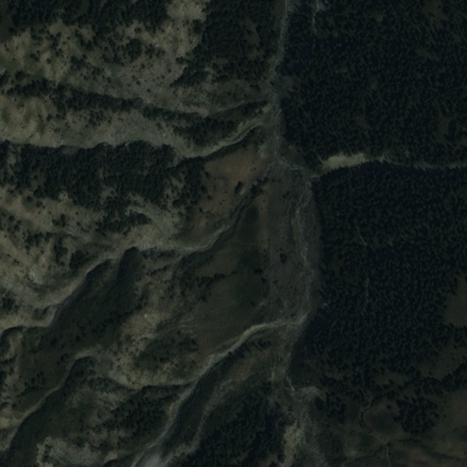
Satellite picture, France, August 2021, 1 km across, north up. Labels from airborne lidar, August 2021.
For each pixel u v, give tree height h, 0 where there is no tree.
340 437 0
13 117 0
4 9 0
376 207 14
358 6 18
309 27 13
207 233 0
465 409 0
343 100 17
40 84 14
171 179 11
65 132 0
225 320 0
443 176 18
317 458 0
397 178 21
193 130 14
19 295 0
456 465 0
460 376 18
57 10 13
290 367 0
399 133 12
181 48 0
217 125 23
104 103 19
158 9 18
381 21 0
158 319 0
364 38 18
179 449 0
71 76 0
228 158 0
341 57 23
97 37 20
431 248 28
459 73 20
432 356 13
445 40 20
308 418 0
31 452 0
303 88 0
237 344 0
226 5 25
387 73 24
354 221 13
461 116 17
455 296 13
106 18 16
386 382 0
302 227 0
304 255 0
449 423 0
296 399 0
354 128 22
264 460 15
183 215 17
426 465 0
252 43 0
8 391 0
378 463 0
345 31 27
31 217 0
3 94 9
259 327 0
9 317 0
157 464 0
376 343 11
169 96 0
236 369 0
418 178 14
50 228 0
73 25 17
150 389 14
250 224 0
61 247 6
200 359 0
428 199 21
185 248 0
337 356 21
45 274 0
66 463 0
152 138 0
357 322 16
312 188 0
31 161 9
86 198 17
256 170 6
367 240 17
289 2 0
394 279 28
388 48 9
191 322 0
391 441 0
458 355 0
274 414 13
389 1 0
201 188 10
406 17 20
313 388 0
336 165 0
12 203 0
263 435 11
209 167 0
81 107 13
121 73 0
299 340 0
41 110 0
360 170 0
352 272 17
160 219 0
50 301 0
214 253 0
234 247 0
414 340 22
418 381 17
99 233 20
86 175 15
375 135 14
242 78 23
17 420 0
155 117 8
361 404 15
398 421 14
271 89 0
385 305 15
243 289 0
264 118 0
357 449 0
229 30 24
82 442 8
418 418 19
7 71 12
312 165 21
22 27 15
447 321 0
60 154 8
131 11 18
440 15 0
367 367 15
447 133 0
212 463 19
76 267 13
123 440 15
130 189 15
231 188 0
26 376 0
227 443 21
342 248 20
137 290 8
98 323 0
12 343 0
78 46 0
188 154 0
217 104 0
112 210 10
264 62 10
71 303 0
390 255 12
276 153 0
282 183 10
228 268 0
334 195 17
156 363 9
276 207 0
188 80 16
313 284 0
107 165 14
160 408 14
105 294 0
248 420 19
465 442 0
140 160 12
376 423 0
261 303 0
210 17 12
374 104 19
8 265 0
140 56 12
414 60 22
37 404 0
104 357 0
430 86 19
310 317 0
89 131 0
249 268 0
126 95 0
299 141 18
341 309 12
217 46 18
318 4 0
